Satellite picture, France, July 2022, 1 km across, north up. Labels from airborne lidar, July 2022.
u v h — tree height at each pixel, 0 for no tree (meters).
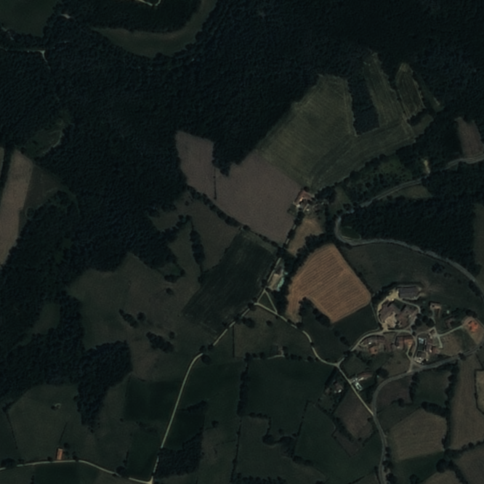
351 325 0
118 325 0
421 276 0
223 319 0
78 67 18
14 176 0
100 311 0
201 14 0
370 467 0
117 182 21
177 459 8
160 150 20
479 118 18
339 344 0
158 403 0
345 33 21
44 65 13
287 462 0
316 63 13
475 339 0
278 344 0
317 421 0
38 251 23
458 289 0
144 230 18
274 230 0
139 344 0
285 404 0
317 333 0
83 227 19
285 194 0
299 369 0
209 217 0
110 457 0
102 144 19
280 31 16
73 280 10
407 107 0
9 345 9
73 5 8
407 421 0
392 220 14
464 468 0
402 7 23
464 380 0
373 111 15
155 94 26
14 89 21
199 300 0
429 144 14
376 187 10
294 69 21
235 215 0
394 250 0
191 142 0
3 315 11
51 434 0
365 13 21
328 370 0
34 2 0
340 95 0
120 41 0
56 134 0
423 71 17
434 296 0
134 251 22
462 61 21
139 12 6
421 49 20
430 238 12
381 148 0
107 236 26
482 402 0
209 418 0
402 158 12
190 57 21
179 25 9
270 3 9
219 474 0
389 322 0
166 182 11
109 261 24
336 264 0
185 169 0
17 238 0
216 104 17
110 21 8
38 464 0
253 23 18
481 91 16
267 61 16
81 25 15
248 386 15
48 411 0
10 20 0
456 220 11
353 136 0
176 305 0
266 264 0
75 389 0
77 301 15
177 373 0
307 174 0
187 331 0
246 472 0
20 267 26
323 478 0
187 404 0
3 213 0
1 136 18
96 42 21
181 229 15
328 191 16
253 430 0
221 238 0
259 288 0
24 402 0
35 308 24
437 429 0
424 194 0
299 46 17
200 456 9
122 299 0
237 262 0
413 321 0
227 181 0
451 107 17
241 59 20
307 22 13
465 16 22
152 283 0
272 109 13
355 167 0
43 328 0
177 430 0
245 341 0
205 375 0
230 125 19
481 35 21
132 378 0
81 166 17
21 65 18
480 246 0
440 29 22
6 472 0
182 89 18
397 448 0
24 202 0
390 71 16
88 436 0
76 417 0
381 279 0
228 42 19
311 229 0
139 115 17
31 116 27
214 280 0
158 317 0
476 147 0
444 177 23
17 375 9
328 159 0
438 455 0
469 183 15
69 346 14
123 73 23
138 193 16
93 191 17
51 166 11
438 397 0
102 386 7
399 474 0
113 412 0
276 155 0
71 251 7
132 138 14
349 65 17
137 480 0
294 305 0
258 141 11
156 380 0
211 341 0
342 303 0
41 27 0
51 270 14
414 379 11
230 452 0
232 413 0
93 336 0
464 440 0
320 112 0
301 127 0
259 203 0
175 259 18
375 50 17
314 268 0
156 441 0
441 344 0
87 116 12
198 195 15
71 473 0
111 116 17
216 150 14
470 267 11
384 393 0
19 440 0
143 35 0
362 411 0
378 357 0
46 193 0
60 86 30
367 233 14
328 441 0
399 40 22
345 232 0
